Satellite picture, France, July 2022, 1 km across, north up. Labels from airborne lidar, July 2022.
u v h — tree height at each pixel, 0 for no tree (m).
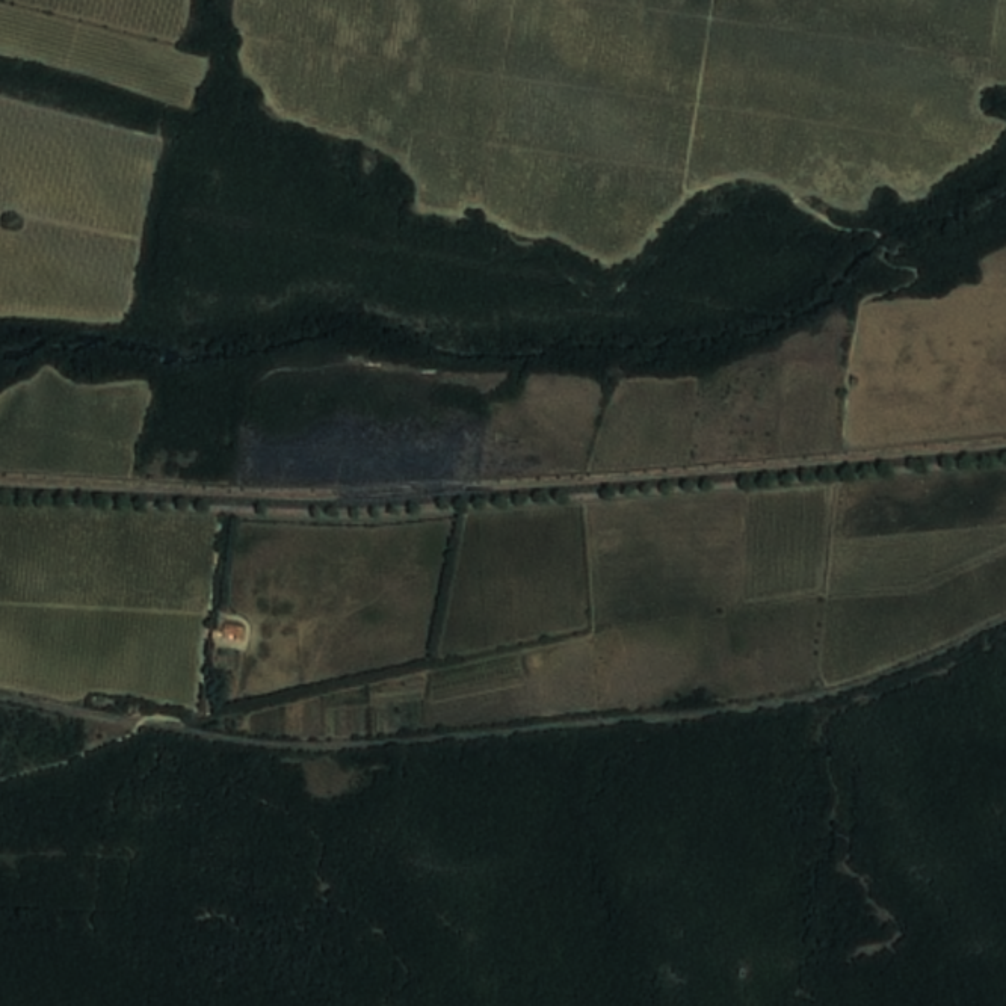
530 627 0
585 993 9
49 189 0
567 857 11
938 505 0
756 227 10
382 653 0
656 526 0
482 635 0
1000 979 6
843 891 8
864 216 7
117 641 0
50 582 0
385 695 0
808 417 0
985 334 0
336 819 10
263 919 16
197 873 7
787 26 0
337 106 0
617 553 0
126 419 0
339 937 14
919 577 0
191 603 0
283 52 0
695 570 0
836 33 0
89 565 0
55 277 0
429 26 0
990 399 0
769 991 9
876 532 0
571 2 0
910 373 0
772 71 0
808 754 13
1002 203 9
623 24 0
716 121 0
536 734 9
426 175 0
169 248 6
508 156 0
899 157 0
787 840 10
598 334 11
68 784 12
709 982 6
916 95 0
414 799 8
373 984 10
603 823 11
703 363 13
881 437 0
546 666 0
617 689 0
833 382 0
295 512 0
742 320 11
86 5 0
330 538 0
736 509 0
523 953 10
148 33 0
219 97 11
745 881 7
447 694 0
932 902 9
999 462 16
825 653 0
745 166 0
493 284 6
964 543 0
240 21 0
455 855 6
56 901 6
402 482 0
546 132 0
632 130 0
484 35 0
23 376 9
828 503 0
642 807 9
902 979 10
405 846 7
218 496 0
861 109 0
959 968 9
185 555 0
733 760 8
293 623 0
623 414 0
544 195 0
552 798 9
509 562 0
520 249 6
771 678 0
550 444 0
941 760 6
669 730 11
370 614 0
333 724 0
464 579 0
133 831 9
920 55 0
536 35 0
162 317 6
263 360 6
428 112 0
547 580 0
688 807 8
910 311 0
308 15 0
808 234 8
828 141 0
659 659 0
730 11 0
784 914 10
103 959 7
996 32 0
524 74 0
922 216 18
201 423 6
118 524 0
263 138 8
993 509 0
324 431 0
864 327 0
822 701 11
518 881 10
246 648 0
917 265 6
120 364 9
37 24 0
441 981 8
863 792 7
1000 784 8
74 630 0
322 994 13
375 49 0
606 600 0
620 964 11
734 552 0
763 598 0
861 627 0
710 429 0
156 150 0
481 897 6
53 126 0
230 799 9
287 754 7
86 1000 6
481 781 11
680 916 5
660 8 0
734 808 10
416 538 0
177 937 10
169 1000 10
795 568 0
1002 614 0
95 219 0
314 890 11
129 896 7
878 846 10
